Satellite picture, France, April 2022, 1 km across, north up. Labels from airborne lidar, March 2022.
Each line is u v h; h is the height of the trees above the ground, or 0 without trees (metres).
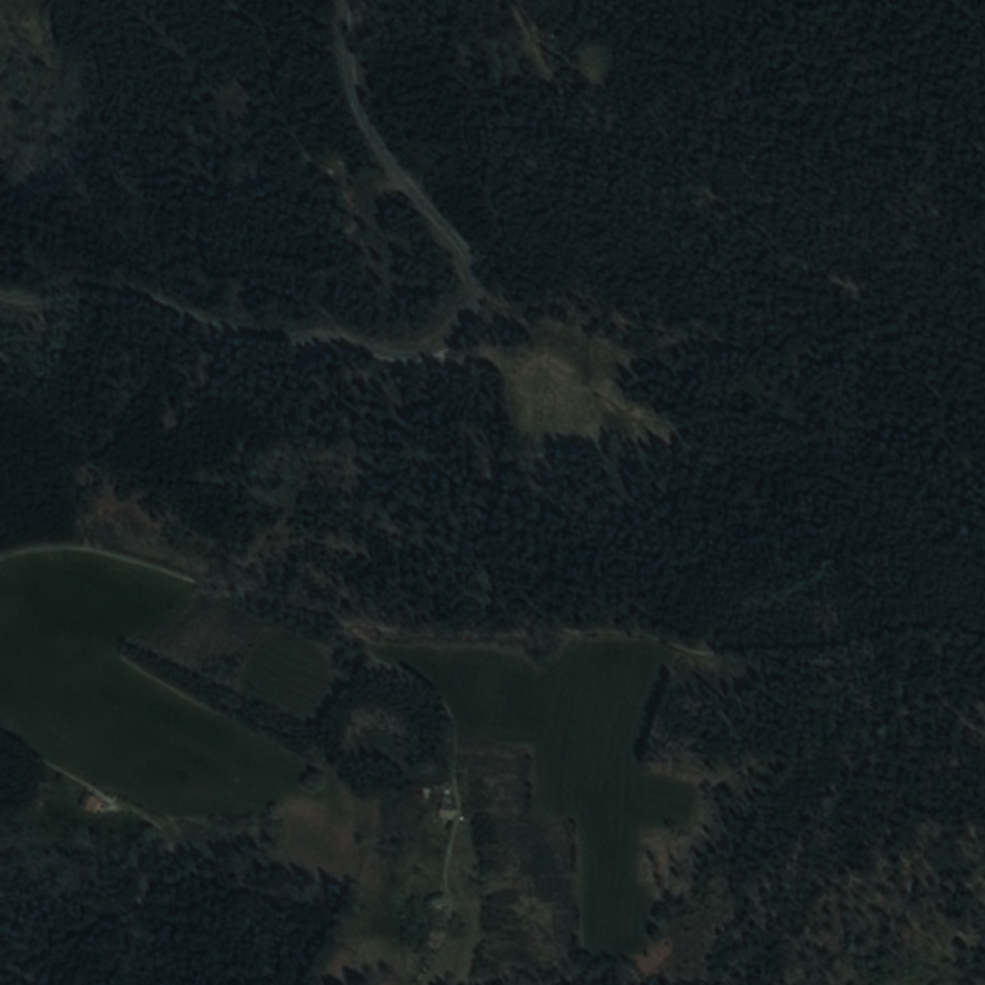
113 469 15
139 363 20
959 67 19
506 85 13
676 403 32
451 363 0
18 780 27
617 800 0
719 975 22
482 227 18
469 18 22
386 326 29
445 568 26
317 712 0
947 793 11
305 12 34
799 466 22
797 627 15
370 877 0
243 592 22
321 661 0
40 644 0
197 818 0
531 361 0
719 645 13
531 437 0
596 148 21
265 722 17
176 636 0
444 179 22
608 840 0
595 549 22
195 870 31
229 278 17
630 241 20
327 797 0
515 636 18
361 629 24
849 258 21
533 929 0
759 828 25
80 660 0
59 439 16
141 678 0
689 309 24
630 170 25
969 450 28
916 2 19
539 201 26
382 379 0
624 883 0
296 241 30
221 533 13
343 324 31
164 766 0
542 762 0
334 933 20
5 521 15
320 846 0
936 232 21
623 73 12
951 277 21
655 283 20
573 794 0
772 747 25
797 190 15
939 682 21
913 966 18
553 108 26
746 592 13
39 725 0
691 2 17
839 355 10
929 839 7
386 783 24
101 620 0
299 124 22
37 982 14
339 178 0
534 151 22
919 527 10
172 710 0
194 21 27
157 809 0
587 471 26
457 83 16
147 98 31
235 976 25
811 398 17
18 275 22
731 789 0
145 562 0
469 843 0
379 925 0
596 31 7
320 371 31
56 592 0
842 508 21
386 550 8
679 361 16
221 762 0
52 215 26
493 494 17
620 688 0
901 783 16
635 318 27
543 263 21
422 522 24
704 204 26
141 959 15
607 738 0
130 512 0
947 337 27
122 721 0
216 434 13
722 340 12
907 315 18
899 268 25
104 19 32
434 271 33
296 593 27
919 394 26
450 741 28
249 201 30
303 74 24
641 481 30
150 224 27
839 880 16
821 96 20
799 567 20
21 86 9
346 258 29
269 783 0
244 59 31
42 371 24
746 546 17
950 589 11
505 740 0
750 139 19
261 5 26
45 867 17
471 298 0
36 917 16
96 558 0
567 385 0
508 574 23
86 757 0
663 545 26
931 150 30
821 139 20
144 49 29
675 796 0
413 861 0
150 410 17
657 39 19
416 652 0
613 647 0
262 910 12
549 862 0
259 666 0
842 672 26
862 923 33
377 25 18
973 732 25
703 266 10
